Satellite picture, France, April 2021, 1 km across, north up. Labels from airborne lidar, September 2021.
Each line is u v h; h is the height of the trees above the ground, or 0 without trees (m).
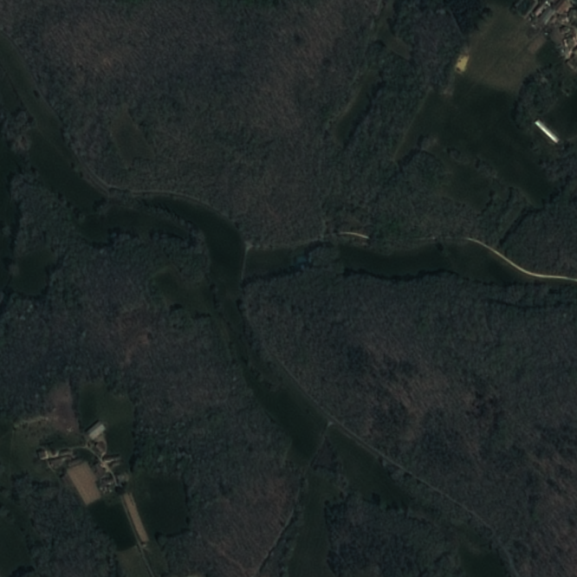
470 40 0
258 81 20
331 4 21
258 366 0
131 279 20
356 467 0
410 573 20
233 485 22
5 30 17
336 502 0
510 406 20
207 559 12
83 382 11
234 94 20
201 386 15
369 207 16
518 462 17
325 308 13
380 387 20
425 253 0
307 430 0
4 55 0
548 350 21
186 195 16
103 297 19
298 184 12
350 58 13
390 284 19
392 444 17
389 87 17
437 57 22
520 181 0
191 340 22
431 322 24
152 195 12
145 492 0
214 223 0
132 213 0
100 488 7
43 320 19
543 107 17
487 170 23
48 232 16
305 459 0
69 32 17
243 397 23
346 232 18
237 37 17
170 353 19
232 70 20
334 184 22
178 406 15
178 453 23
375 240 18
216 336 18
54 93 13
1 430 0
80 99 21
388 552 23
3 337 27
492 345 20
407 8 21
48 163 0
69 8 20
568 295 14
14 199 19
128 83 18
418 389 18
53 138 0
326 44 18
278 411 0
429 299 21
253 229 18
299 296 17
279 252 0
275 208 9
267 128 18
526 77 0
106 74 22
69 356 21
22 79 0
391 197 27
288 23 12
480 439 21
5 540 0
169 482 0
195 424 18
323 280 23
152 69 22
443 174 27
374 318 21
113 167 7
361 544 26
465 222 14
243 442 21
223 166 9
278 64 19
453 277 15
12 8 14
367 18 18
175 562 14
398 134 13
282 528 13
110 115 23
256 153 13
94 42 17
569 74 0
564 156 20
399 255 0
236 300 0
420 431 14
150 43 22
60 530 19
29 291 0
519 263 7
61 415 0
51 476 0
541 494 15
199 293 0
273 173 13
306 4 15
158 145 9
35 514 23
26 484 21
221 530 22
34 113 0
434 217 18
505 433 21
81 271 22
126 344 11
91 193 0
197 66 18
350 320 18
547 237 11
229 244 0
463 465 24
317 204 16
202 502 18
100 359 17
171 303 0
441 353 23
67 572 15
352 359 20
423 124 0
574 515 18
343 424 14
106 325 17
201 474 17
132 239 16
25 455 0
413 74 21
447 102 0
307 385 10
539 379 19
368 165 20
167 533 0
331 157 24
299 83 18
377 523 22
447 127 0
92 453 0
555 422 18
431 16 22
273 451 20
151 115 17
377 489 0
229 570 16
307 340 14
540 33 0
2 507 13
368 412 18
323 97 15
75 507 18
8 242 0
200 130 7
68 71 23
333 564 19
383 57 29
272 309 8
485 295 16
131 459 0
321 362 11
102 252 24
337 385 13
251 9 17
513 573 17
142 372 15
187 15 25
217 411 18
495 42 0
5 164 0
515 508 14
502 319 21
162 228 0
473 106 0
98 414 0
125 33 20
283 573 19
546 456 20
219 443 22
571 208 16
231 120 18
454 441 25
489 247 17
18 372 25
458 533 0
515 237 13
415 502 19
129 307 21
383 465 17
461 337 19
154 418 16
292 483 7
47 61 15
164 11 23
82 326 13
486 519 14
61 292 24
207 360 21
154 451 24
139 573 0
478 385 20
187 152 6
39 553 21
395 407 21
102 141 15
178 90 19
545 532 20
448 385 17
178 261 20
